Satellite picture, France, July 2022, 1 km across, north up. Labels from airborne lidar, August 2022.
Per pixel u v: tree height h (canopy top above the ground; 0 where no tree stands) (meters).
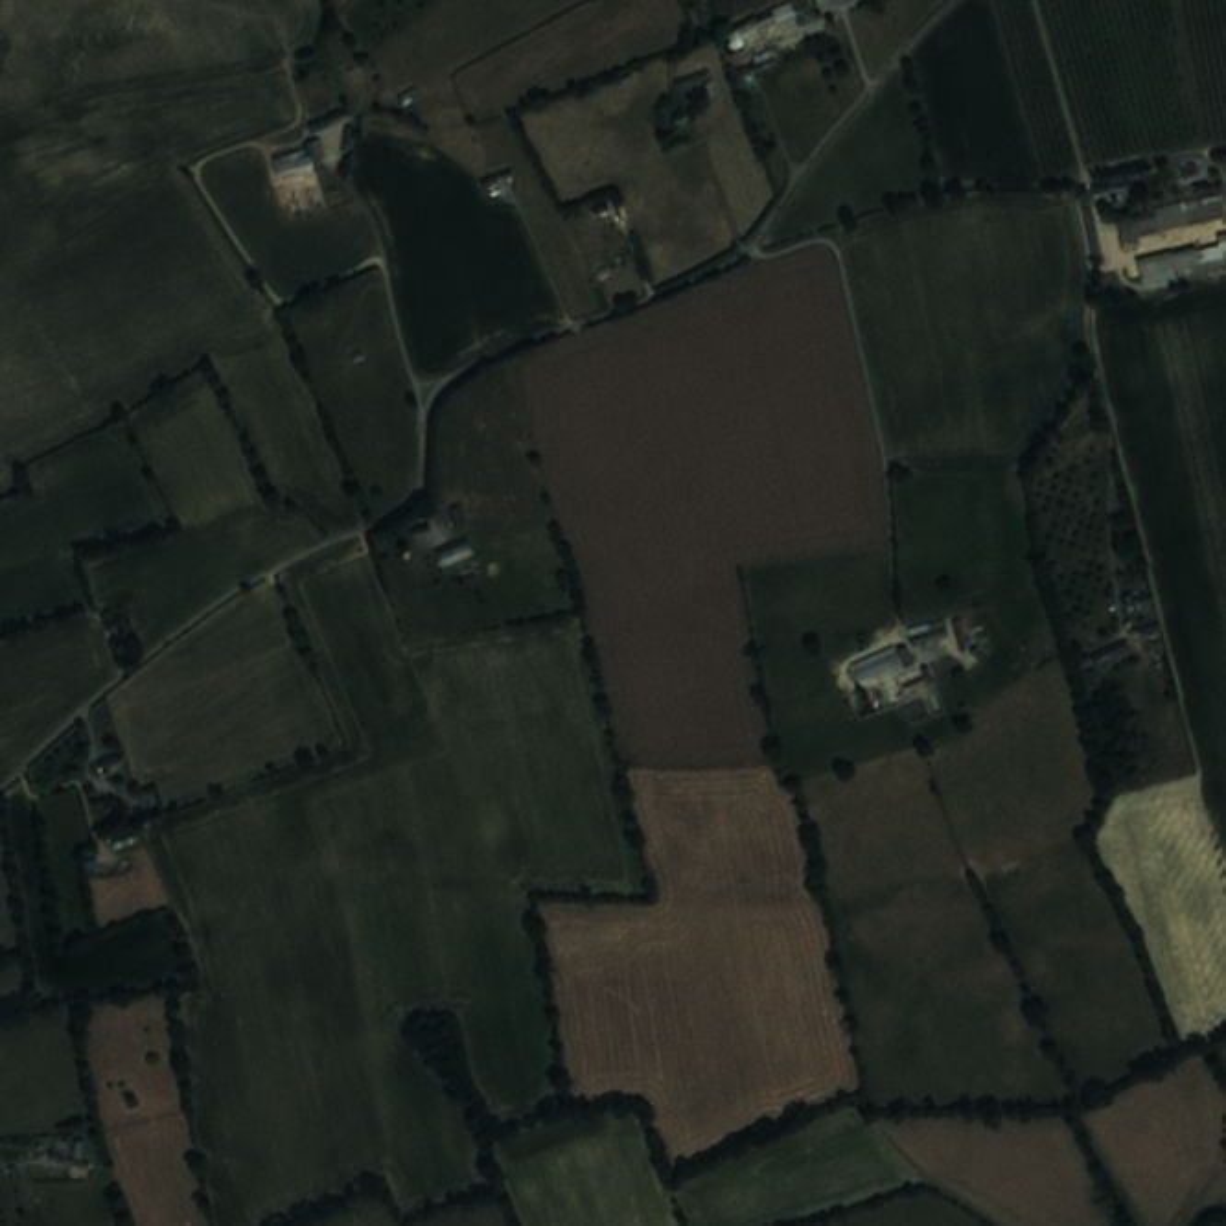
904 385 0
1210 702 0
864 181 0
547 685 0
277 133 0
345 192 0
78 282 0
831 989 0
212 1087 0
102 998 9
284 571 0
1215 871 0
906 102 0
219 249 0
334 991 0
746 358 0
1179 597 0
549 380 0
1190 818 0
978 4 0
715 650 0
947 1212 0
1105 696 7
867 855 0
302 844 0
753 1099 0
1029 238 0
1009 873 0
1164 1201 0
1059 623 25
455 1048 16
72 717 0
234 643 0
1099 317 0
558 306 0
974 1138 0
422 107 0
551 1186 0
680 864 0
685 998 0
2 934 0
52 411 0
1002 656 0
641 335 0
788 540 0
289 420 0
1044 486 6
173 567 0
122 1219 21
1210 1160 0
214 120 0
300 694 0
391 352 0
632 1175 0
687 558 0
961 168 0
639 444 0
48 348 0
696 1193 0
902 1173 0
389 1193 17
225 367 0
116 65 0
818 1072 0
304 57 14
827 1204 0
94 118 0
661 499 0
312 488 0
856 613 0
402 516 16
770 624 0
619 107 0
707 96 14
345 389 0
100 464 0
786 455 0
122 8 0
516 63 0
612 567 0
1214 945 0
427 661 0
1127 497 10
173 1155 0
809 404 0
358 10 0
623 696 0
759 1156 0
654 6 0
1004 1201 0
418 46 0
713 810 0
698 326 0
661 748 0
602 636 0
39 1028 0
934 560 0
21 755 0
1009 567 0
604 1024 0
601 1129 0
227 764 0
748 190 0
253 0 0
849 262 0
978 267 0
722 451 0
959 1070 0
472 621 0
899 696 0
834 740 0
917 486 0
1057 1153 0
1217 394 0
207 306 0
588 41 0
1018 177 0
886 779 0
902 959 0
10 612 0
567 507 0
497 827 0
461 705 0
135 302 0
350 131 7
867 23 0
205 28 0
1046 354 0
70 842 0
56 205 0
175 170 0
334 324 0
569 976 0
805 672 0
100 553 16
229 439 0
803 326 0
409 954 0
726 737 0
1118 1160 0
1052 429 18
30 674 0
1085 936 0
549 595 0
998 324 0
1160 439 0
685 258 0
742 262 9
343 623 0
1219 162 8
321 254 0
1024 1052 0
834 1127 0
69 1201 0
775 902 0
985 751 0
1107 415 15
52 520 0
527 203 0
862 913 0
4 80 0
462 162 0
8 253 0
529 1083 0
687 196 0
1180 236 0
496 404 0
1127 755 7
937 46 0
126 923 6
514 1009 0
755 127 10
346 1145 0
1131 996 0
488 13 0
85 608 7
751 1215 0
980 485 0
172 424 0
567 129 0
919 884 0
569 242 0
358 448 0
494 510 0
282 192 0
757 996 0
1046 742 0
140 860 0
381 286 0
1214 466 0
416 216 0
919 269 0
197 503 0
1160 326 0
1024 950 0
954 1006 0
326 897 0
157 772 0
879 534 0
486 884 0
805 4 0
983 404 0
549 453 0
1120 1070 0
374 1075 0
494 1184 15
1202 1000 0
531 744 0
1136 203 11
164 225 0
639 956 0
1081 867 0
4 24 0
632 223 0
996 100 0
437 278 0
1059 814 0
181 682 0
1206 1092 0
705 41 12
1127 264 0
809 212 0
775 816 0
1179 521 0
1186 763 0
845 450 0
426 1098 0
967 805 0
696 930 0
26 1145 6
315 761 15
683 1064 0
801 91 0
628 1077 0
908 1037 0
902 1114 16
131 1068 0
